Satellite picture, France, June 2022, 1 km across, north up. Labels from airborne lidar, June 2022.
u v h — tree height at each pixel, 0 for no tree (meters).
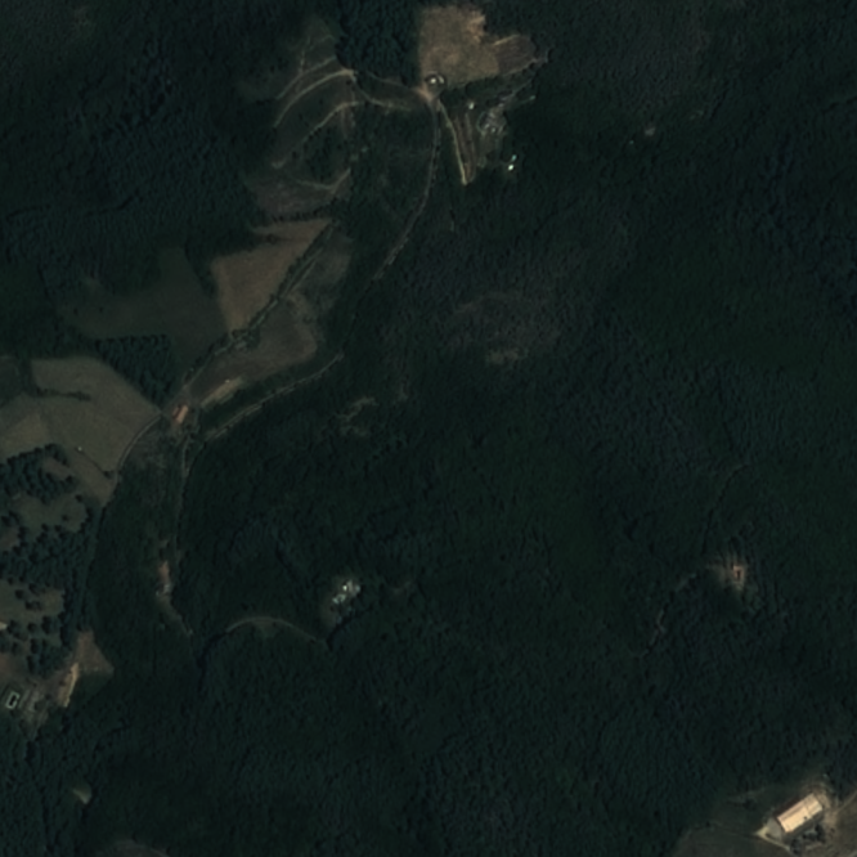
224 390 0
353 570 12
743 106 28
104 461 0
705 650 17
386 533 22
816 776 0
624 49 16
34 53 17
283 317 0
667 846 16
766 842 0
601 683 18
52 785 40
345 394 10
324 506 10
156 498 12
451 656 11
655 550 22
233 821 14
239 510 20
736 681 16
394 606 15
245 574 10
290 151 0
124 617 18
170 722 27
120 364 27
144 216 29
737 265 17
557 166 16
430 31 0
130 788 20
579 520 16
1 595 0
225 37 20
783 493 15
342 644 33
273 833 16
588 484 21
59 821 41
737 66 12
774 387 23
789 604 11
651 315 10
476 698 11
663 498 17
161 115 29
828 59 33
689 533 17
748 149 26
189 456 13
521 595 11
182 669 18
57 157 21
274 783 31
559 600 20
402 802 21
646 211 24
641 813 16
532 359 12
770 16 14
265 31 18
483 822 16
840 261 40
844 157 15
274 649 13
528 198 23
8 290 18
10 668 0
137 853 0
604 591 17
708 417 7
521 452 18
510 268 20
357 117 7
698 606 14
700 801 23
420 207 10
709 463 17
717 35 9
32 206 16
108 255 25
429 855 24
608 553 20
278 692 11
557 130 9
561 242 20
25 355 12
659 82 20
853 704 10
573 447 25
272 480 26
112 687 13
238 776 21
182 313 0
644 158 14
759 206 26
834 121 20
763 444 24
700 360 13
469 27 0
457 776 12
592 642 17
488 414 30
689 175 19
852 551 16
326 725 12
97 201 21
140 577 14
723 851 0
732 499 10
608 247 14
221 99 19
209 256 8
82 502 22
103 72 25
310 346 0
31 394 0
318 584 20
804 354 13
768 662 14
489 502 14
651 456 8
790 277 21
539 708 13
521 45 0
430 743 0
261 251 0
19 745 19
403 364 15
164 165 29
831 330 21
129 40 25
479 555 17
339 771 30
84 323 0
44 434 0
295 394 12
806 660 15
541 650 10
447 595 15
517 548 20
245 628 7
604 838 15
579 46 11
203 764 19
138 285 13
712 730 12
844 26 34
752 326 14
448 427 28
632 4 15
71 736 35
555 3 12
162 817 18
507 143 10
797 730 9
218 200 26
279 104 18
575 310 11
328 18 18
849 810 0
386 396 11
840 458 25
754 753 13
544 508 19
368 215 10
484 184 13
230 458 15
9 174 18
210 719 20
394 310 20
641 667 18
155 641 12
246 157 20
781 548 8
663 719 24
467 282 19
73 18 7
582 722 14
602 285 16
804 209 20
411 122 8
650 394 13
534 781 13
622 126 16
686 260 11
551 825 12
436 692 9
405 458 25
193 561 17
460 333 16
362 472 10
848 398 18
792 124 26
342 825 18
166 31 21
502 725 14
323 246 7
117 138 30
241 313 0
